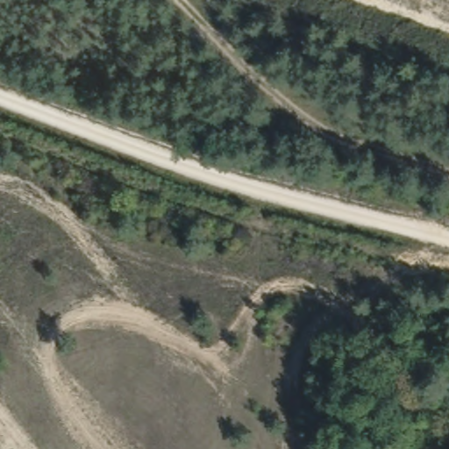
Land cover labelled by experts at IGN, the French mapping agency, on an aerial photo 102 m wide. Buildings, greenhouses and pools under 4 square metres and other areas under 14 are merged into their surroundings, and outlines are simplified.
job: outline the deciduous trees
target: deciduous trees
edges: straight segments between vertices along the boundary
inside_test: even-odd
[[[272,310],[263,310],[253,312],[256,321],[260,317],[267,319],[263,340],[265,346],[282,351],[282,346],[289,344],[293,324],[284,321],[288,310],[282,309],[281,305],[275,305]]]
[[[396,377],[409,375],[410,386],[424,389],[431,384],[431,375],[440,363],[445,363],[449,367],[449,307],[431,314],[419,314],[419,307],[412,307],[410,300],[396,300],[395,296],[386,295],[370,296],[354,309],[356,314],[351,323],[335,324],[310,339],[312,356],[307,367],[309,377],[305,388],[305,407],[300,412],[300,438],[309,449],[449,449],[449,400],[438,409],[405,409],[398,396]]]
[[[70,354],[74,351],[75,337],[68,331],[60,330],[60,326],[53,331],[49,342],[53,342],[56,351]]]
[[[247,226],[242,224],[230,217],[212,214],[209,210],[198,207],[189,207],[184,203],[175,203],[174,209],[167,209],[167,203],[139,202],[133,191],[121,189],[123,182],[118,181],[109,170],[93,170],[89,161],[82,165],[70,163],[54,153],[42,153],[33,147],[26,147],[23,140],[4,137],[0,133],[0,174],[18,175],[21,179],[39,184],[53,200],[65,203],[82,223],[95,224],[96,228],[102,230],[119,228],[121,233],[116,242],[121,244],[146,237],[147,242],[153,242],[153,247],[160,247],[161,244],[172,247],[216,247],[216,253],[223,254],[224,260],[233,260],[244,246],[251,242],[251,233],[247,233]]]
[[[167,323],[172,324],[175,330],[193,337],[202,347],[214,346],[221,342],[221,330],[219,316],[209,312],[205,316],[202,309],[196,312],[193,323],[186,324],[182,312],[179,312],[177,316],[170,317]]]

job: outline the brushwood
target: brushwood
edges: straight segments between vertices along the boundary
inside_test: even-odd
[[[298,258],[302,251],[312,251],[317,258],[333,261],[333,268],[330,270],[330,279],[333,282],[339,279],[353,281],[354,275],[358,272],[368,277],[379,277],[384,282],[388,272],[382,267],[393,258],[396,260],[402,251],[421,251],[424,242],[410,239],[405,235],[344,223],[331,217],[288,209],[282,205],[233,193],[228,189],[216,188],[205,182],[175,174],[167,168],[156,167],[147,161],[112,151],[109,147],[98,146],[95,142],[89,142],[72,133],[63,132],[54,126],[44,125],[40,121],[25,118],[21,114],[0,107],[0,133],[4,137],[23,140],[26,147],[33,147],[42,153],[54,153],[70,163],[82,165],[89,161],[93,170],[109,170],[118,181],[123,182],[121,189],[133,191],[139,202],[167,203],[167,209],[174,209],[175,203],[184,203],[189,207],[198,207],[209,210],[212,214],[230,217],[242,224],[249,216],[270,219],[272,224],[268,232],[274,232],[277,249],[284,249],[284,254],[291,261]]]

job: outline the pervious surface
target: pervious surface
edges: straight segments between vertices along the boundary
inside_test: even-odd
[[[272,86],[267,77],[258,72],[253,65],[249,65],[235,47],[230,46],[226,39],[212,28],[205,14],[196,9],[189,0],[170,0],[186,18],[193,21],[203,39],[216,47],[217,51],[221,51],[224,58],[230,61],[240,74],[246,75],[254,86],[258,86],[261,93],[265,93],[277,107],[295,112],[298,119],[302,119],[307,126],[326,130],[330,125],[328,121],[317,119],[309,110],[303,109],[300,103],[296,103],[284,93]]]
[[[53,342],[49,342],[42,347],[33,347],[33,354],[39,360],[47,391],[54,400],[56,414],[61,417],[68,433],[81,449],[103,449],[107,442],[100,437],[102,426],[89,424],[86,417],[82,416],[79,405],[75,402],[77,396],[74,396],[67,384],[61,381],[56,351]]]
[[[423,153],[410,153],[407,156],[393,153],[389,149],[384,156],[386,160],[391,163],[405,161],[410,165],[419,168],[423,167],[437,179],[442,179],[440,184],[445,184],[449,188],[449,168],[442,170]]]
[[[91,263],[95,263],[96,270],[102,272],[103,282],[109,279],[110,272],[116,265],[103,256],[102,249],[82,230],[82,223],[65,203],[53,200],[39,184],[21,179],[18,175],[0,174],[0,193],[16,196],[21,202],[60,224],[74,239],[84,256]]]
[[[172,151],[149,144],[146,140],[133,139],[105,125],[96,125],[88,118],[70,116],[49,105],[28,100],[14,91],[0,89],[0,107],[21,114],[25,118],[40,121],[44,125],[54,126],[63,132],[72,133],[89,142],[95,142],[98,146],[109,147],[112,151],[147,161],[156,167],[167,168],[175,174],[205,182],[216,188],[228,189],[233,193],[282,205],[288,209],[331,217],[344,223],[405,235],[410,239],[424,242],[435,242],[438,246],[449,244],[449,230],[435,221],[417,221],[409,217],[391,216],[379,210],[321,198],[295,189],[281,188],[230,172],[219,172],[216,168],[203,167],[195,160],[174,160]]]
[[[305,279],[298,277],[281,277],[275,281],[263,282],[251,298],[242,296],[242,302],[246,307],[239,310],[239,314],[230,323],[230,330],[221,330],[221,342],[214,346],[202,347],[193,337],[175,330],[172,324],[167,323],[153,312],[133,307],[130,303],[112,302],[105,296],[93,296],[91,300],[84,300],[79,309],[70,310],[65,316],[61,316],[60,326],[60,330],[68,331],[119,324],[123,326],[123,330],[142,333],[147,339],[158,342],[161,346],[170,347],[177,353],[195,354],[196,358],[207,361],[216,368],[219,374],[230,375],[228,365],[219,358],[219,354],[228,346],[239,349],[246,340],[247,324],[254,328],[256,321],[253,312],[263,310],[261,300],[267,293],[305,291]]]
[[[33,449],[35,445],[30,437],[16,423],[11,412],[0,403],[0,449]]]
[[[384,12],[393,12],[403,18],[414,19],[421,25],[437,28],[442,32],[449,30],[449,23],[431,16],[428,11],[412,11],[405,5],[393,4],[389,0],[354,0],[358,4],[370,5]]]

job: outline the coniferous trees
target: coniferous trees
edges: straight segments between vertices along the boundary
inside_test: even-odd
[[[230,61],[224,58],[221,51],[217,51],[216,47],[203,39],[193,21],[186,18],[170,0],[0,0],[0,89],[14,91],[28,100],[49,105],[70,116],[88,118],[96,125],[105,125],[133,139],[146,140],[149,144],[172,151],[174,160],[195,160],[203,167],[216,168],[219,172],[230,172],[281,188],[295,189],[321,198],[379,210],[391,216],[409,217],[417,221],[435,221],[449,230],[449,188],[445,184],[440,184],[437,191],[419,186],[419,168],[410,165],[400,175],[377,179],[374,175],[374,154],[367,153],[365,160],[353,160],[353,163],[347,163],[340,168],[330,147],[324,146],[323,140],[317,137],[288,142],[288,137],[282,135],[277,146],[265,149],[265,139],[260,133],[260,126],[267,125],[272,109],[277,107],[265,93],[261,93],[258,86],[254,86],[246,75],[240,74]]]
[[[431,375],[431,384],[424,389],[410,386],[409,375],[396,377],[398,396],[405,409],[438,409],[449,400],[449,367],[445,363],[440,363]]]
[[[330,125],[326,130],[337,133],[339,137],[351,137],[360,146],[370,140],[377,140],[384,142],[389,149],[393,153],[407,156],[410,153],[423,153],[442,170],[449,168],[449,67],[431,67],[430,70],[423,72],[412,65],[405,65],[402,70],[398,70],[389,65],[381,68],[381,65],[374,65],[374,70],[361,70],[360,56],[353,56],[346,46],[337,47],[333,44],[333,40],[337,39],[337,33],[333,32],[330,19],[323,19],[319,26],[310,26],[309,37],[303,35],[296,44],[291,44],[288,33],[284,32],[282,19],[275,19],[272,23],[268,19],[265,23],[253,23],[251,28],[240,28],[237,16],[233,16],[232,19],[221,19],[219,14],[223,12],[226,0],[189,0],[196,9],[205,14],[212,28],[226,39],[230,46],[235,47],[249,65],[253,65],[258,72],[267,77],[272,86],[284,93],[293,86],[302,86],[305,93],[310,93],[310,100],[319,100],[326,105],[324,112],[328,114],[328,121]]]
[[[431,314],[449,307],[449,291],[445,289],[444,295],[424,298],[423,291],[416,289],[410,300],[412,307],[419,307],[419,314]]]

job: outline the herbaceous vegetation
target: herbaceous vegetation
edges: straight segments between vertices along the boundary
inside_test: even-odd
[[[298,277],[305,279],[305,291],[267,293],[261,300],[263,310],[272,310],[275,305],[281,305],[282,309],[288,310],[284,321],[293,324],[289,344],[282,346],[282,351],[265,346],[263,340],[267,319],[260,317],[256,321],[254,328],[247,324],[246,340],[239,349],[228,346],[219,354],[219,358],[228,365],[230,375],[219,374],[216,368],[207,361],[196,358],[195,354],[177,353],[170,347],[161,346],[158,342],[147,339],[142,333],[123,330],[123,326],[119,324],[68,331],[75,337],[74,351],[70,354],[56,351],[61,381],[67,384],[74,396],[77,396],[75,402],[79,405],[82,416],[86,417],[89,424],[102,426],[100,437],[107,442],[103,449],[309,449],[300,438],[300,412],[305,407],[305,388],[309,377],[307,367],[312,356],[310,339],[335,324],[351,323],[356,314],[354,309],[370,296],[386,295],[395,296],[396,300],[410,300],[416,289],[423,291],[424,298],[444,295],[445,289],[449,291],[449,244],[438,246],[435,242],[424,242],[421,251],[402,251],[396,260],[393,258],[382,267],[388,272],[384,282],[379,277],[368,277],[358,272],[354,275],[353,281],[339,279],[333,282],[330,279],[330,270],[333,268],[333,261],[317,258],[312,251],[302,251],[298,258],[291,261],[284,254],[284,249],[277,249],[274,232],[268,232],[272,224],[270,219],[249,216],[242,224],[247,226],[247,233],[251,233],[251,242],[244,246],[233,260],[224,260],[223,254],[216,253],[216,247],[172,247],[161,244],[160,247],[153,247],[153,242],[147,242],[146,237],[121,244],[116,242],[121,233],[119,228],[102,230],[96,228],[95,224],[82,223],[82,230],[102,249],[103,256],[116,265],[110,272],[109,279],[103,282],[102,272],[96,270],[95,263],[91,263],[84,256],[74,239],[60,224],[21,202],[16,196],[0,193],[0,403],[11,412],[16,423],[30,437],[35,445],[33,449],[81,449],[68,433],[61,417],[56,414],[54,400],[47,391],[39,360],[33,354],[33,347],[42,347],[49,342],[53,331],[60,326],[61,316],[65,316],[70,310],[79,309],[84,300],[91,300],[93,296],[105,296],[112,302],[130,303],[133,307],[153,312],[167,323],[170,317],[177,316],[179,312],[182,312],[186,324],[193,323],[196,312],[202,309],[205,316],[209,312],[219,316],[221,330],[230,330],[230,323],[239,314],[239,310],[246,307],[242,302],[242,296],[251,298],[263,282],[275,281],[281,277]]]
[[[330,147],[340,168],[347,163],[353,163],[353,160],[365,160],[367,153],[374,154],[374,175],[377,179],[400,175],[410,165],[405,161],[391,163],[386,160],[384,156],[389,149],[384,142],[377,140],[370,140],[360,146],[351,137],[339,137],[337,133],[326,130],[307,126],[302,119],[298,119],[295,112],[277,107],[272,109],[267,125],[260,126],[260,133],[265,139],[265,149],[277,146],[282,135],[288,137],[288,142],[317,137],[323,140],[324,146]]]
[[[291,44],[296,44],[303,35],[309,37],[310,26],[319,26],[323,19],[330,19],[333,32],[337,33],[337,39],[333,40],[333,44],[337,47],[346,46],[353,56],[360,56],[361,70],[374,70],[374,65],[381,65],[381,68],[389,65],[398,70],[402,70],[405,65],[412,65],[423,72],[430,70],[431,67],[449,67],[449,30],[442,32],[437,28],[421,25],[414,19],[403,18],[393,12],[384,12],[370,5],[358,4],[354,0],[226,0],[223,12],[219,14],[221,19],[232,19],[233,16],[237,16],[240,28],[251,28],[253,23],[265,23],[268,19],[272,23],[275,19],[282,19],[284,32],[288,33]]]
[[[437,191],[440,184],[442,179],[437,179],[423,167],[419,168],[419,186]]]
[[[449,0],[389,0],[393,4],[405,5],[412,11],[428,11],[431,16],[449,23]]]
[[[310,100],[310,93],[305,93],[302,86],[293,86],[284,93],[296,103],[300,103],[303,109],[309,110],[317,119],[328,121],[328,114],[324,112],[326,105],[319,100]]]

